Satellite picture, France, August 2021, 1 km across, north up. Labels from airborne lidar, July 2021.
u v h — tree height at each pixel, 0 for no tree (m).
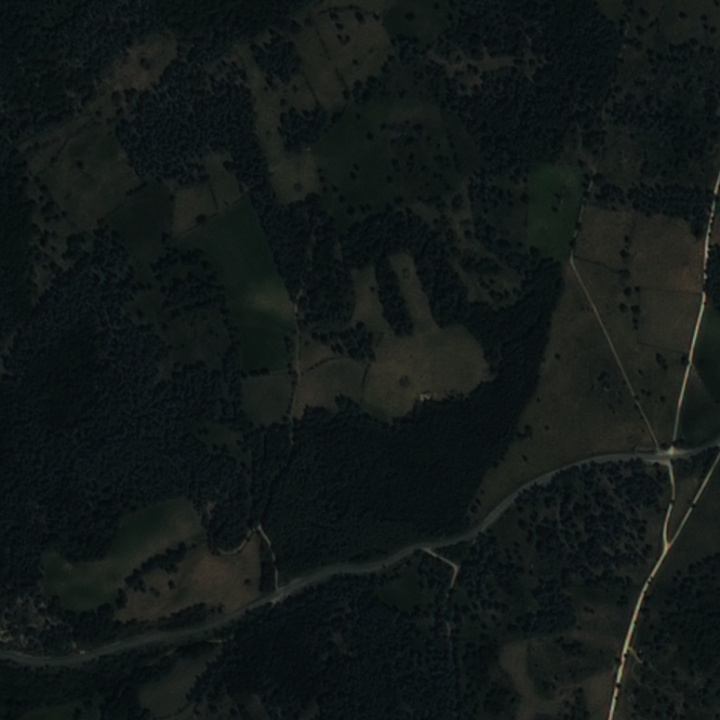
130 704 17
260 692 11
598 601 0
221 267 0
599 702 0
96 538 16
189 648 12
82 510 13
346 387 0
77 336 16
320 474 11
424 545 0
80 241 19
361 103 14
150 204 0
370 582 12
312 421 17
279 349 0
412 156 9
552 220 0
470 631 0
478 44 15
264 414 0
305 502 14
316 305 16
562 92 12
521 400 12
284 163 0
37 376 16
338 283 8
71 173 0
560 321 0
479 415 14
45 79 15
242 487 16
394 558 0
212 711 13
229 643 7
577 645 9
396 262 0
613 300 0
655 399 0
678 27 0
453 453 11
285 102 8
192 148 23
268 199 23
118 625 13
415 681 17
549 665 0
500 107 18
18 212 17
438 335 0
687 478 0
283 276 20
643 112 9
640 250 0
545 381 0
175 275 0
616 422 0
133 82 0
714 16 0
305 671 13
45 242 14
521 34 13
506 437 13
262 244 0
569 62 18
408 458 12
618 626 0
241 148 18
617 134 0
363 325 11
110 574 0
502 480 0
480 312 14
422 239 9
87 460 19
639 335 0
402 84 0
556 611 16
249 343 0
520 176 14
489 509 0
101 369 11
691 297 0
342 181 0
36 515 14
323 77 0
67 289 20
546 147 20
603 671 0
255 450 16
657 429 0
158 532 0
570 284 0
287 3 18
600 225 0
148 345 14
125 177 0
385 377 0
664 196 15
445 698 16
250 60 0
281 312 0
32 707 16
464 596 0
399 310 10
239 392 13
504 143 18
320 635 14
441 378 0
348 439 13
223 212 0
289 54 20
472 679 9
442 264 10
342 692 11
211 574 0
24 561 16
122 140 16
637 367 0
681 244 0
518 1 13
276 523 15
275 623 16
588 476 17
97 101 0
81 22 14
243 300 0
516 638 0
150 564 12
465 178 0
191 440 12
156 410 16
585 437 0
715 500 0
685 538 0
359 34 0
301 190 0
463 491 12
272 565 10
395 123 0
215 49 21
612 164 0
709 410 0
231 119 18
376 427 15
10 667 9
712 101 13
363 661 17
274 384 0
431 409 8
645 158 7
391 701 18
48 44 12
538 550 12
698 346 0
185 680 0
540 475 0
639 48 13
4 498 19
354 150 0
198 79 12
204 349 0
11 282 14
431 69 12
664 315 0
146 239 0
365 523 19
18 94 12
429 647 15
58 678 11
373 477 11
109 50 15
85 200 0
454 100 15
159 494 18
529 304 13
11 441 19
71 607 0
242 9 14
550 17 16
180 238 0
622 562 15
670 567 0
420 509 11
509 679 0
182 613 9
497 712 8
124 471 11
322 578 0
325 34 0
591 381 0
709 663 6
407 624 13
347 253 11
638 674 0
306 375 0
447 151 0
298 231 15
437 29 0
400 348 0
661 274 0
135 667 9
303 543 10
